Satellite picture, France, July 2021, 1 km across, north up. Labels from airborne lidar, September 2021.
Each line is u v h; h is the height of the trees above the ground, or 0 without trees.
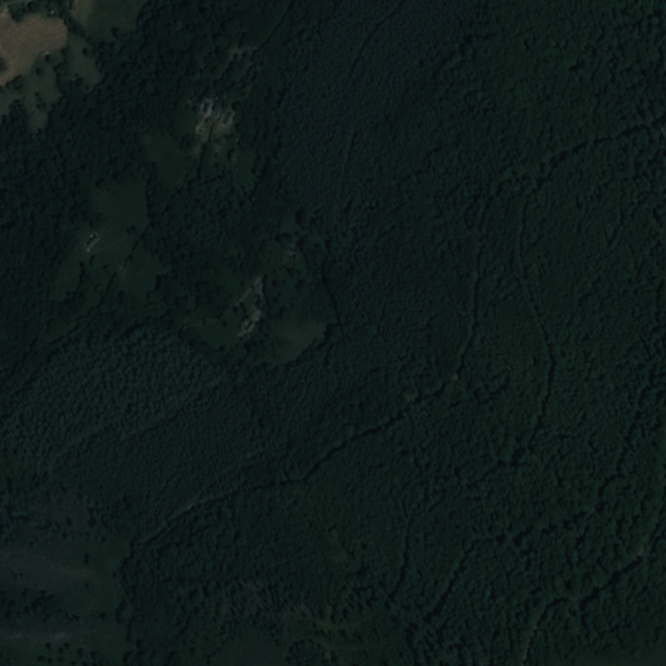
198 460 17
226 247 11
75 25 13
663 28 10
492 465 26
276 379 20
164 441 18
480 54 20
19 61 0
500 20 31
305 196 23
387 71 25
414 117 24
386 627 6
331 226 22
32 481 8
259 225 15
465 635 25
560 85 25
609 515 21
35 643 0
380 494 15
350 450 22
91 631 0
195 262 23
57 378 25
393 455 25
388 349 21
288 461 22
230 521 26
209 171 9
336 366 15
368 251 20
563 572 23
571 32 22
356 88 23
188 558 26
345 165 21
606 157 27
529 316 17
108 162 28
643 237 22
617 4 24
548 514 25
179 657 14
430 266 19
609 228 19
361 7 27
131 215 0
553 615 18
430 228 15
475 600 24
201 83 11
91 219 17
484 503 30
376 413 25
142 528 18
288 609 18
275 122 11
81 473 12
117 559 0
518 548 19
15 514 8
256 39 6
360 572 0
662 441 23
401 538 17
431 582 19
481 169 18
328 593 19
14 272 25
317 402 19
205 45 17
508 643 17
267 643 0
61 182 23
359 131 22
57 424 25
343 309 18
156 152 0
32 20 0
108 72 7
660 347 21
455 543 20
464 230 11
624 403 20
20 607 10
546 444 27
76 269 0
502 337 19
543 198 15
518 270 16
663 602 19
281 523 27
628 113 31
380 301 19
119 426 23
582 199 19
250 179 0
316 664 11
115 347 20
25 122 14
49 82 0
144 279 0
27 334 23
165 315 7
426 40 26
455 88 17
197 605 16
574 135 25
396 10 22
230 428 18
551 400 20
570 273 15
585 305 19
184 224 8
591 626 23
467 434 30
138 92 14
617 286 17
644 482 24
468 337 22
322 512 25
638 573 20
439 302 18
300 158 20
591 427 20
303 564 25
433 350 22
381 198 17
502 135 25
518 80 23
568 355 22
